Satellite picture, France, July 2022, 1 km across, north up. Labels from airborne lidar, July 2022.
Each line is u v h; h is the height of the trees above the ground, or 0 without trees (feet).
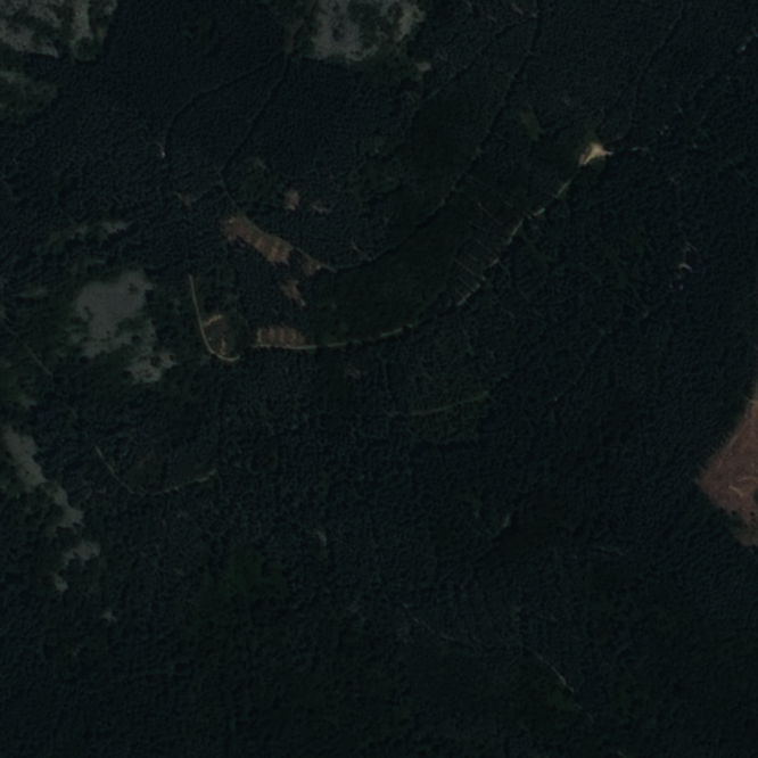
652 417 72
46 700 83
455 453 102
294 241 72
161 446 26
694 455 77
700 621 55
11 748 74
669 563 68
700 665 43
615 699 75
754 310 63
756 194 112
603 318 86
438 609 96
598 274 109
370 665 49
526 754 106
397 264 56
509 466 107
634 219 112
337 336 48
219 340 0
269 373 78
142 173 62
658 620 46
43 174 70
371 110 75
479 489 99
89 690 115
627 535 93
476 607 97
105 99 75
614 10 68
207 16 54
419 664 72
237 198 77
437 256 63
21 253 64
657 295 104
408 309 54
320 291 53
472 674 68
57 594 31
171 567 76
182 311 29
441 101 69
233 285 18
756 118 98
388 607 65
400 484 98
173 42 70
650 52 71
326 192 82
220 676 20
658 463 82
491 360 56
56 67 68
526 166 68
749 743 63
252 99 78
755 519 41
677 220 86
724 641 31
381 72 19
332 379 59
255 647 69
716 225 115
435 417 41
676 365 71
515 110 67
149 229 76
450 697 68
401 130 70
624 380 77
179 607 63
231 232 0
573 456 57
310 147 69
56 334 37
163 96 73
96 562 38
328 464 84
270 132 75
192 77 75
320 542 23
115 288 0
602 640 65
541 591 96
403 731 55
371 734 51
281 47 64
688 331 110
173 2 73
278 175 33
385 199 70
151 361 22
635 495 82
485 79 70
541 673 43
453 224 66
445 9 71
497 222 52
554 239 72
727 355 97
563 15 74
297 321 71
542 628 103
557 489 86
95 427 25
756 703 58
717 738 51
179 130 63
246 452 71
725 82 103
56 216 80
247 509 75
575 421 53
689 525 88
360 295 60
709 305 116
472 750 23
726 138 100
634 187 79
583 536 65
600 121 61
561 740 34
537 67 69
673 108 71
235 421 65
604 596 36
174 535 64
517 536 87
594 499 81
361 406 58
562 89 76
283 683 78
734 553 104
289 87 83
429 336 36
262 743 63
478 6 83
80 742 33
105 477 24
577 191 100
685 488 78
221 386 21
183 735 67
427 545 73
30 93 20
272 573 60
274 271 63
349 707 43
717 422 63
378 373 62
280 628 75
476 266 61
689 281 99
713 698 41
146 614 74
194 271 55
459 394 32
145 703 55
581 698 84
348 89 71
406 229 68
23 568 46
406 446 59
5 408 36
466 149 54
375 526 63
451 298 44
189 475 59
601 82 71
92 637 62
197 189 80
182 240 82
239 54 74
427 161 53
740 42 54
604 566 80
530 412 110
